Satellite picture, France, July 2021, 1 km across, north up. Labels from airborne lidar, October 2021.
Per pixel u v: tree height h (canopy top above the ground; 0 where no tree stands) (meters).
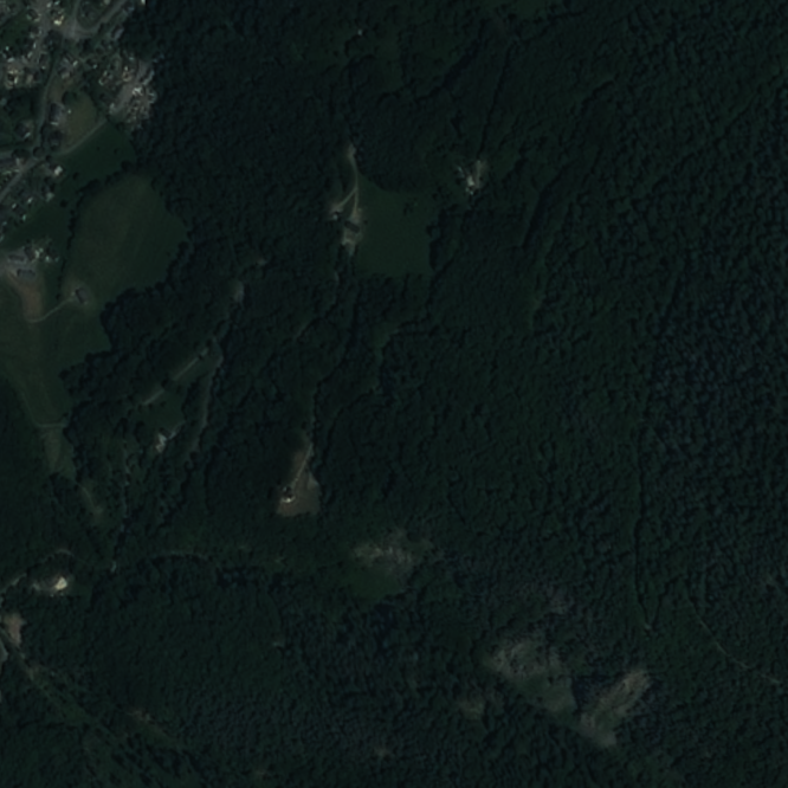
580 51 28
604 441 18
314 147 28
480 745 19
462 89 31
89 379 7
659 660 12
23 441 20
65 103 10
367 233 0
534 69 27
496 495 25
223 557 9
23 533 21
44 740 27
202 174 11
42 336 0
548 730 29
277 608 27
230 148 25
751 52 27
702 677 26
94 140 0
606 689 9
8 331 0
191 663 23
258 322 18
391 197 0
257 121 31
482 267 18
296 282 13
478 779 16
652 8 29
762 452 8
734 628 17
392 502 21
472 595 19
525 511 27
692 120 23
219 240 17
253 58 18
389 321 16
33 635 15
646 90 20
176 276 17
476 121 26
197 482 29
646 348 25
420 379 16
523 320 23
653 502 16
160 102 7
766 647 17
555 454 25
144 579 13
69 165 0
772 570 18
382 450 26
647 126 30
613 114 16
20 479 23
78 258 0
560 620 13
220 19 16
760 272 25
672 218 21
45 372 0
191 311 18
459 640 22
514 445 23
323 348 13
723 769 8
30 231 0
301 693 17
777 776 13
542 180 20
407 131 29
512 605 25
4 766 22
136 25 20
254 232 17
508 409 27
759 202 21
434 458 29
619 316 30
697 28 23
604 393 23
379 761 25
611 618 21
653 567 17
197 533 21
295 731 19
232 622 24
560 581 28
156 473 7
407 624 17
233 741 22
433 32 10
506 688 27
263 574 25
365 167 24
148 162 11
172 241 0
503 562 27
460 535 23
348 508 23
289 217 21
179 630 25
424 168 23
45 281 0
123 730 30
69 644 22
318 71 16
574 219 27
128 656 25
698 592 28
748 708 16
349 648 16
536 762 17
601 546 30
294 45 25
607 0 30
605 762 31
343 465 24
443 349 27
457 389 24
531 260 22
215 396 12
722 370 19
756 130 15
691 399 25
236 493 25
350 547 8
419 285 14
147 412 9
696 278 18
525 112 13
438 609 25
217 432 7
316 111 31
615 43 29
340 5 19
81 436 28
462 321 28
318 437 16
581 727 0
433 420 26
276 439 24
